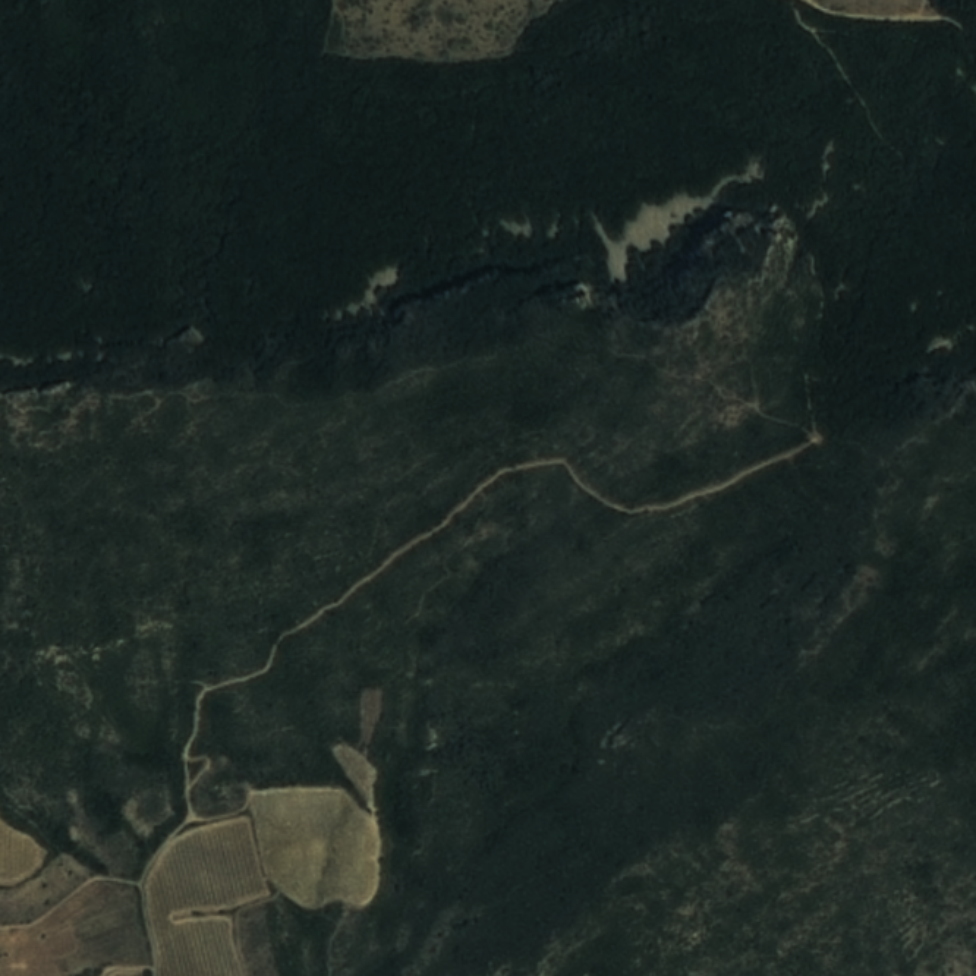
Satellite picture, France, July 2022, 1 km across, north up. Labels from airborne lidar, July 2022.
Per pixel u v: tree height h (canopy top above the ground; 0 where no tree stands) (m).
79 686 0
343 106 8
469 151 7
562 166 9
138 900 0
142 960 0
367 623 0
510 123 8
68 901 0
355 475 0
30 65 6
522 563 0
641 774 0
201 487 0
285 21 10
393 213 8
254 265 10
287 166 10
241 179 8
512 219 6
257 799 0
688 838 0
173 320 8
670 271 8
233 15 10
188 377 5
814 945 0
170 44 6
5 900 0
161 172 8
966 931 0
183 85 7
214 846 0
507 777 5
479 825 0
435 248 10
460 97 6
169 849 0
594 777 0
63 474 7
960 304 8
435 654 0
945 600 5
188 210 8
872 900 0
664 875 0
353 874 0
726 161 9
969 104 10
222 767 0
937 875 0
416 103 9
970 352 7
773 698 0
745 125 10
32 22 7
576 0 6
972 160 12
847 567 6
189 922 0
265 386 6
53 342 9
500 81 6
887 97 6
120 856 0
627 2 7
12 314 9
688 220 9
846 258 11
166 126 7
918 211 10
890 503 0
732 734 0
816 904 0
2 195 9
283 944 0
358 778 0
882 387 9
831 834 0
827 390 10
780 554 6
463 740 8
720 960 0
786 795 0
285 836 0
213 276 10
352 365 7
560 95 10
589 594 0
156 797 0
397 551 0
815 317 8
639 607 0
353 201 11
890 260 8
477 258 9
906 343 10
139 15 6
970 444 0
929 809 0
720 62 7
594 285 8
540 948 0
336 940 0
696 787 0
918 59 7
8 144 7
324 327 8
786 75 6
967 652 5
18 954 0
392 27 0
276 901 0
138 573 0
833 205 7
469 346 8
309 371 11
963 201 9
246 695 0
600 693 0
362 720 0
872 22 9
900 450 0
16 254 9
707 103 7
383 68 9
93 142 8
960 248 9
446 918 0
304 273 12
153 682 0
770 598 6
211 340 10
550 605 0
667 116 11
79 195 10
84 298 7
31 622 6
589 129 9
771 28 7
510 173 9
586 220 8
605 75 8
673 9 7
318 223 11
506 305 6
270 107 10
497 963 0
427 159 11
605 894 0
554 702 0
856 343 12
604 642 0
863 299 10
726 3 7
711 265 8
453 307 6
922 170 7
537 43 8
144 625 0
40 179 9
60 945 0
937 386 9
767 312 5
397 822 9
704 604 8
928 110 6
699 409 0
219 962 0
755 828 0
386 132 6
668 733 0
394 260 10
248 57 6
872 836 0
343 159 8
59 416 7
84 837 0
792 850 0
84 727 0
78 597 10
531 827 0
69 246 8
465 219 11
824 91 8
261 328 10
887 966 0
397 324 6
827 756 0
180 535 6
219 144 7
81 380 9
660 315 9
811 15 12
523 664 0
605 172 8
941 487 0
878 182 6
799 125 8
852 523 0
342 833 0
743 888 0
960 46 13
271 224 9
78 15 7
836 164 8
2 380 9
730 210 7
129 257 8
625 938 0
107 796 8
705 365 0
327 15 6
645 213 0
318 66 7
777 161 8
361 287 9
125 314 9
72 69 5
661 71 10
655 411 0
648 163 9
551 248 12
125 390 6
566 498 0
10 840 0
